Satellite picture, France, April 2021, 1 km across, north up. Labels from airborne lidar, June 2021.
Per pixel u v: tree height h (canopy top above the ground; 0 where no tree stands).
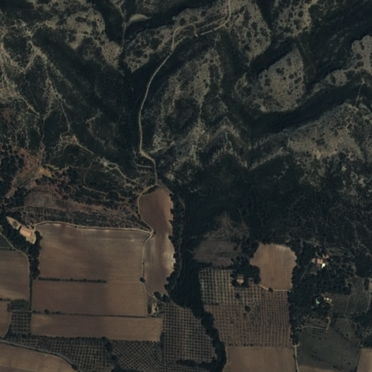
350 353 0
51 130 0
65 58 0
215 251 0
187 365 8
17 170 12
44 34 0
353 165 0
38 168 0
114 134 0
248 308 10
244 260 14
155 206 0
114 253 0
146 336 0
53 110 0
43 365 0
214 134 0
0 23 0
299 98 0
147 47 0
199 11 0
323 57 0
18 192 10
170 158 0
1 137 0
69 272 0
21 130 0
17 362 0
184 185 6
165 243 0
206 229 6
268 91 0
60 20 0
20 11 0
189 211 6
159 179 7
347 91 0
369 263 7
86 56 0
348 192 0
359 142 0
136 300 0
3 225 8
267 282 0
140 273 0
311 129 0
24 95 0
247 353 0
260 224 8
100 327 0
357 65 0
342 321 0
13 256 0
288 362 0
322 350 0
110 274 0
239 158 0
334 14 0
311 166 0
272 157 0
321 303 10
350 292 9
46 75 0
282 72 0
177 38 0
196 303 7
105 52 0
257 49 0
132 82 7
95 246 0
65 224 0
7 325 0
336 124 0
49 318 0
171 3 0
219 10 0
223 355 9
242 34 0
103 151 0
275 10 0
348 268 7
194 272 8
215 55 0
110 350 15
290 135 0
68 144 0
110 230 0
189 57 0
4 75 0
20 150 0
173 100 0
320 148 0
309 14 0
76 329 0
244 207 11
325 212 6
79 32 0
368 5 0
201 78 0
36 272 13
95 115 0
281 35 0
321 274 12
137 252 0
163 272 0
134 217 8
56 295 0
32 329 0
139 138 5
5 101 0
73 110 0
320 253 10
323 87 0
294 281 10
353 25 0
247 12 0
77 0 0
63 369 0
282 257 0
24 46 0
